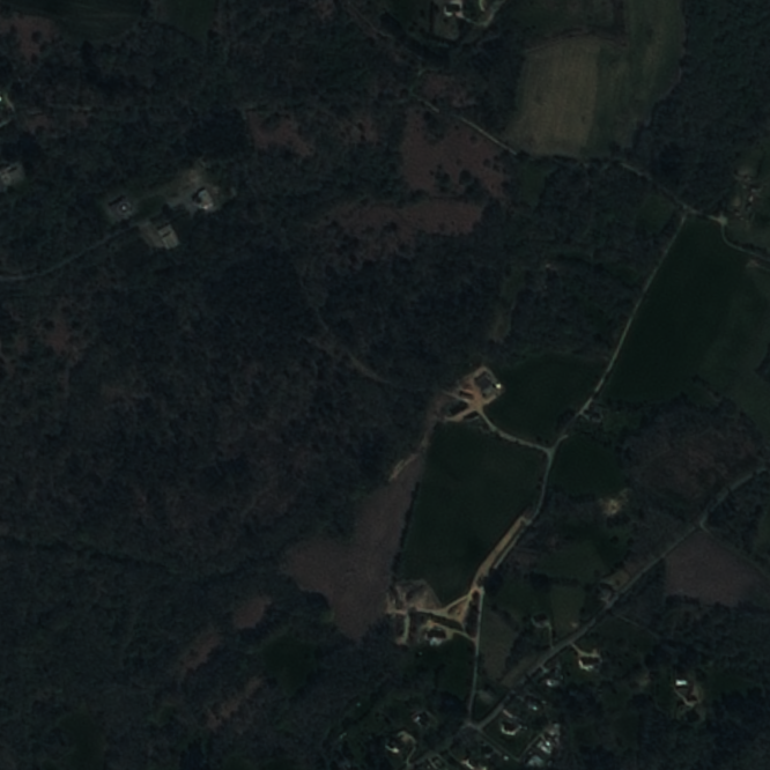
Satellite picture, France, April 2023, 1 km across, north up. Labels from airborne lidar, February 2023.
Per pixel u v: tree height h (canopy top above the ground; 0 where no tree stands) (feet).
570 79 0
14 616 60
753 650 31
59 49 31
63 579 50
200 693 61
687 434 59
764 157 0
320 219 31
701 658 29
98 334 21
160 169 33
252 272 50
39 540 45
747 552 32
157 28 27
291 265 47
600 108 0
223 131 59
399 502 0
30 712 21
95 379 46
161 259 44
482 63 39
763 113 35
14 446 48
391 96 24
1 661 30
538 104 0
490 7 0
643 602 34
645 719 53
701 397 0
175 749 37
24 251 42
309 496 48
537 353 25
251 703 23
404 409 65
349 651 42
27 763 52
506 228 60
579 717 61
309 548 0
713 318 0
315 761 55
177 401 77
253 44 26
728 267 0
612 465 0
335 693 48
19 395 37
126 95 34
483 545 0
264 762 25
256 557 68
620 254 39
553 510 37
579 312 53
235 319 38
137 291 35
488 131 26
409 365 40
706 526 21
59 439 38
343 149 28
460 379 24
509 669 20
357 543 0
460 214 0
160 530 62
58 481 31
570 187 58
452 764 43
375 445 45
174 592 56
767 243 0
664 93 0
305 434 46
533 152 0
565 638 0
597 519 31
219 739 42
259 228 42
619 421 0
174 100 38
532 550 45
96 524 56
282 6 22
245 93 30
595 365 0
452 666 0
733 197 25
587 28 0
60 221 34
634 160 53
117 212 0
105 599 30
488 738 0
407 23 0
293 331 44
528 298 37
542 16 0
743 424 39
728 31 27
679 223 30
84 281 35
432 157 0
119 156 60
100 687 78
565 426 40
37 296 30
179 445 58
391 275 57
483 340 38
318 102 27
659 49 0
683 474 0
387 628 51
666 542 32
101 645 56
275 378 28
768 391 0
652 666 46
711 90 37
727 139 44
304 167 26
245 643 67
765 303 0
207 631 20
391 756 37
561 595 0
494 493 0
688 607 34
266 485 22
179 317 53
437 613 0
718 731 78
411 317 41
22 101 29
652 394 0
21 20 24
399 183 35
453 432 0
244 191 32
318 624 43
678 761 22
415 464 0
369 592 0
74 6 0
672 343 0
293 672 0
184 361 65
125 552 43
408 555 0
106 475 34
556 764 57
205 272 43
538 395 0
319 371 52
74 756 0
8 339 37
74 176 54
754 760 52
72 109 21
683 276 0
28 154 74
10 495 30
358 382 44
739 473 0
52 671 25
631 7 0
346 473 54
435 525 0
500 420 0
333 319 24
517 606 0
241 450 0
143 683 57
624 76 0
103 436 54
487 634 0
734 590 0
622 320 35
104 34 0
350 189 54
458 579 0
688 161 45
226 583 65
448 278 43
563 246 52
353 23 21
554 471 0
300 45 21
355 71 25
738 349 0
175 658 47
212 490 53
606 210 53
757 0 29
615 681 31
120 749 56
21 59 25
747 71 31
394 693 52
